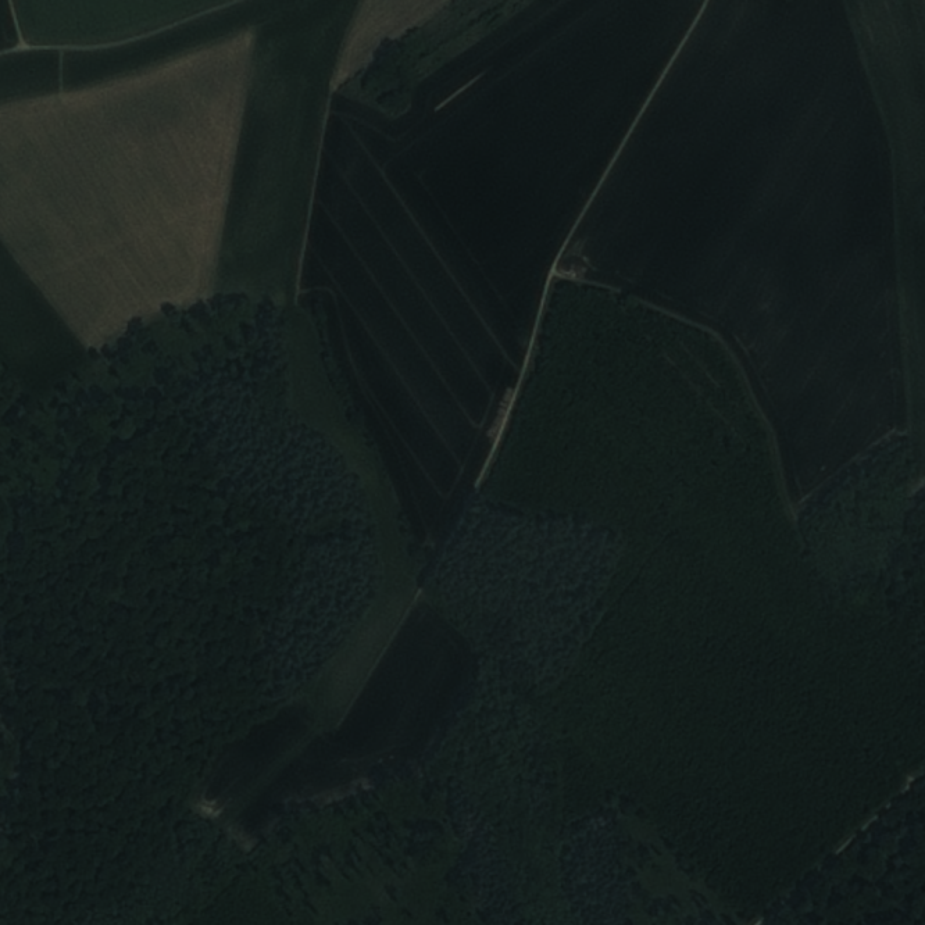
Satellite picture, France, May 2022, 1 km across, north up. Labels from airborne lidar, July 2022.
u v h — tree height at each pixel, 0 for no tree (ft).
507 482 37
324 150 0
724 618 41
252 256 0
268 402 74
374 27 0
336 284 0
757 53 0
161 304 0
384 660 0
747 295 0
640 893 102
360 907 0
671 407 49
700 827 35
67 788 101
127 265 0
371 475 0
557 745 75
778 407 0
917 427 0
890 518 80
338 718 0
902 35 0
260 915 24
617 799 65
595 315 50
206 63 0
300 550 93
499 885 72
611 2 0
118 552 96
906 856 107
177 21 0
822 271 0
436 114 0
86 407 91
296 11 0
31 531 73
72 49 0
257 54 0
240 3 0
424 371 0
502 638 95
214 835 71
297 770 0
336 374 49
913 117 0
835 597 70
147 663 78
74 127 0
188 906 70
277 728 0
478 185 0
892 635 53
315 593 74
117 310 0
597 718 44
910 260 0
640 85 0
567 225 0
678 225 0
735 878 46
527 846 83
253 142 0
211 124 0
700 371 46
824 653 45
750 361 0
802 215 0
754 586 46
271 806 0
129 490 98
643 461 45
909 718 52
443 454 0
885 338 0
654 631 39
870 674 52
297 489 111
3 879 82
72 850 80
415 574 0
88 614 97
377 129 0
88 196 0
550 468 37
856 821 43
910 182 0
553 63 0
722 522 52
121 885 94
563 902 84
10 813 95
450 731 62
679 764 40
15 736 98
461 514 43
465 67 0
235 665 96
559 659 101
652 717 38
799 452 0
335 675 0
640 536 33
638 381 50
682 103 0
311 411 0
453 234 0
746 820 40
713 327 0
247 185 0
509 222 0
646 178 0
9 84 0
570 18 0
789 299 0
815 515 56
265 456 109
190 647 75
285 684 83
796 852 45
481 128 0
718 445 50
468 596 80
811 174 0
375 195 0
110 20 0
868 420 0
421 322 0
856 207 0
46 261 0
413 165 0
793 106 0
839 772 43
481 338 0
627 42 0
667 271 0
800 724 44
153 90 0
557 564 82
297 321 0
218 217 0
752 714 44
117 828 87
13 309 0
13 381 66
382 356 0
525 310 0
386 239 0
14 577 95
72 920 39
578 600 102
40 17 0
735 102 0
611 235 0
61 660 104
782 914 101
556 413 34
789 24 0
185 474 88
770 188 0
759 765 41
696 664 44
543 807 91
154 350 89
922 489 0
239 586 101
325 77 0
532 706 87
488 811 81
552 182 0
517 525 117
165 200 0
